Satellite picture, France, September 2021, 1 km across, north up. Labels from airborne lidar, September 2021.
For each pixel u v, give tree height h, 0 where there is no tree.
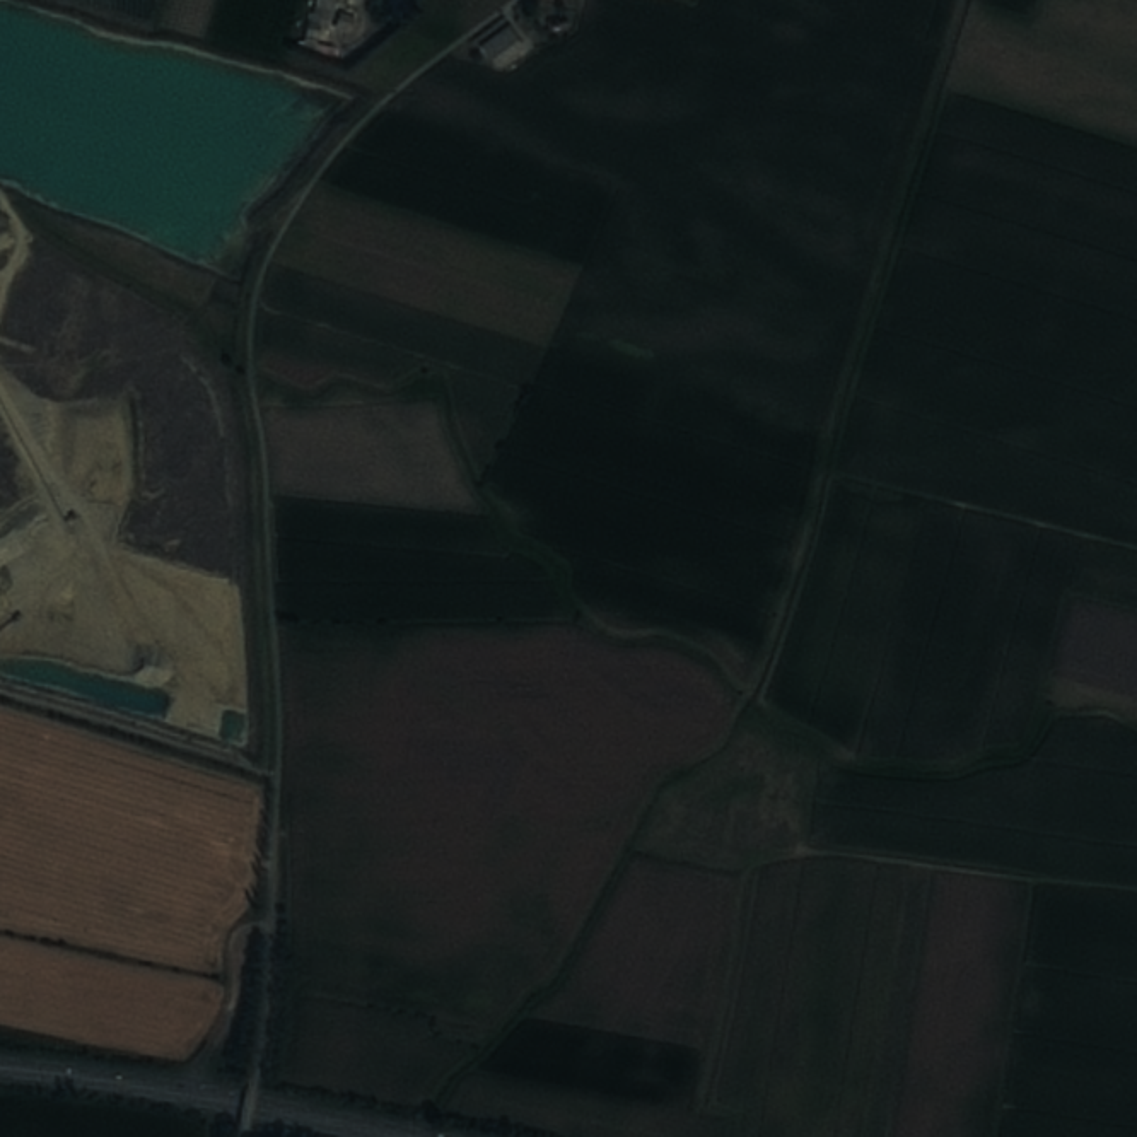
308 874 0
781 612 0
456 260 0
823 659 0
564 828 0
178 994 0
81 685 0
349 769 0
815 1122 0
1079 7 0
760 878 0
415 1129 0
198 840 0
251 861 0
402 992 0
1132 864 0
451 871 0
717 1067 0
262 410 0
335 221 0
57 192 0
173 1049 0
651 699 0
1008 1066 0
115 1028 0
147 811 0
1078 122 0
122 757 0
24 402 0
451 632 0
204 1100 0
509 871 0
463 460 0
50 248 0
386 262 0
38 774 0
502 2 0
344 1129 0
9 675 0
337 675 0
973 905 0
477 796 0
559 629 0
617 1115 0
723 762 0
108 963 0
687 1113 0
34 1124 0
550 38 6
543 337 0
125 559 0
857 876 0
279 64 0
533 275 0
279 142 0
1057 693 0
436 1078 0
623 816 0
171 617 0
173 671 0
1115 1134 0
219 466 0
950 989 0
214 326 0
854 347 0
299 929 0
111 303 0
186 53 0
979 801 0
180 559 0
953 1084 0
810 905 0
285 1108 0
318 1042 0
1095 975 0
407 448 0
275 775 0
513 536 0
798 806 0
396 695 0
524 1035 0
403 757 0
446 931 0
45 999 0
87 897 0
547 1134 6
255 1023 10
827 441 0
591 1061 0
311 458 0
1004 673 0
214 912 0
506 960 0
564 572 0
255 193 0
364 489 0
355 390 0
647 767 0
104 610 0
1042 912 0
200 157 0
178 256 0
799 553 0
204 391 0
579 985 0
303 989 0
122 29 0
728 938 0
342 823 0
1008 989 0
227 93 0
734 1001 0
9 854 0
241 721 0
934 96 0
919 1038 0
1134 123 0
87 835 0
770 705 0
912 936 0
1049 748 0
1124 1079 0
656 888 0
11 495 0
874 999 0
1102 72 0
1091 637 0
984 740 0
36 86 0
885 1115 0
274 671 0
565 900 0
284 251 0
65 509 0
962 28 0
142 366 0
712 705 0
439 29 0
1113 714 0
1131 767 0
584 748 0
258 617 0
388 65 0
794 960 0
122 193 0
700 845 0
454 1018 0
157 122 0
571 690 0
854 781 0
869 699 0
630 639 0
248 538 0
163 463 0
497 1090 0
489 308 0
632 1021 0
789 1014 0
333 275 0
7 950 0
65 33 0
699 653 0
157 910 0
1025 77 0
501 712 0
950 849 0
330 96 0
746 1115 0
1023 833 0
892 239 0
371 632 0
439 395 0
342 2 0
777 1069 0
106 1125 0
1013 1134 0
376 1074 0
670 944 0
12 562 0
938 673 0
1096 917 0
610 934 0
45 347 0
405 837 0
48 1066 0
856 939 0
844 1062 0
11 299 0
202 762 0
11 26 0
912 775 0
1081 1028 0
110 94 0
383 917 0
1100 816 0
